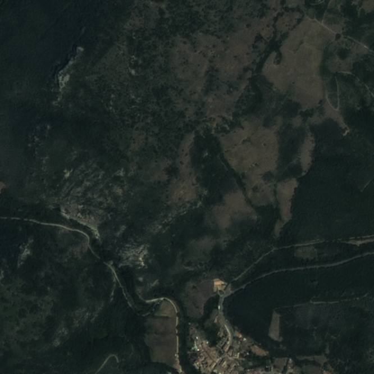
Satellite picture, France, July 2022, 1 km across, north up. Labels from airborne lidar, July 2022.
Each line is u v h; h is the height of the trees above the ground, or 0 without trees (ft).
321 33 0
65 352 18
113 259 41
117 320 23
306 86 0
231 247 19
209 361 0
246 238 19
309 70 0
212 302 31
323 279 35
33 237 21
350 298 27
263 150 0
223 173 18
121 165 0
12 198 23
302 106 0
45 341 22
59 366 19
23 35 25
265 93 0
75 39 20
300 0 0
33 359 23
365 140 21
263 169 0
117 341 27
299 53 0
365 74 26
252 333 24
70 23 24
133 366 31
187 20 18
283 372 38
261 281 35
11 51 20
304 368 0
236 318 23
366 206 20
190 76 0
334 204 27
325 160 50
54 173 26
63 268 23
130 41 18
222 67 0
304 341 20
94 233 0
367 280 25
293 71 0
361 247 28
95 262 21
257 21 0
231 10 19
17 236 23
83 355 57
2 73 18
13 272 19
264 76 0
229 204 0
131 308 46
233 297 29
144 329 25
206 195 21
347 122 25
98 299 19
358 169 22
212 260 26
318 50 0
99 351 34
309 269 43
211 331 20
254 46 24
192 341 20
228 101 0
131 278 27
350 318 23
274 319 0
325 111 0
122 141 0
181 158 0
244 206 0
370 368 23
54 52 21
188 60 0
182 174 0
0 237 29
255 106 21
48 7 36
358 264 31
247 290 28
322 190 23
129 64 18
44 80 24
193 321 19
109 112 18
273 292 24
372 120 34
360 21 25
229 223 0
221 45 0
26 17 23
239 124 25
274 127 0
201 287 0
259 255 34
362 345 27
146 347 29
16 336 0
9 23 19
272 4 0
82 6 25
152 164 0
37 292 19
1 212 28
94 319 29
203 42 0
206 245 0
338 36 34
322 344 21
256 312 18
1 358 21
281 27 0
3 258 19
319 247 36
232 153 0
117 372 18
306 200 20
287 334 29
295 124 0
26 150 25
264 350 25
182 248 20
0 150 0
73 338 37
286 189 0
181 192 0
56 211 29
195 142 22
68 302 23
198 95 0
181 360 36
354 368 18
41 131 26
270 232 34
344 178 26
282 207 0
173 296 19
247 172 0
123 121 22
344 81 18
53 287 19
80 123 22
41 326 23
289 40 0
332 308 25
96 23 20
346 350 32
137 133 0
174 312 0
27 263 30
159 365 41
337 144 35
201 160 27
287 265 39
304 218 21
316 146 35
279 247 29
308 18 0
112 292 84
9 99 25
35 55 18
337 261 28
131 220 21
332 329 29
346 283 41
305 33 0
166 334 0
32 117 22
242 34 0
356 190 33
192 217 29
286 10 29
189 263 18
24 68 20
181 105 0
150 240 21
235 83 0
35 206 22
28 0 17
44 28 17
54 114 26
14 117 17
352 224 21
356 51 0
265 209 28
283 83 0
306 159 0
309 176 34
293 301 21
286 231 24
